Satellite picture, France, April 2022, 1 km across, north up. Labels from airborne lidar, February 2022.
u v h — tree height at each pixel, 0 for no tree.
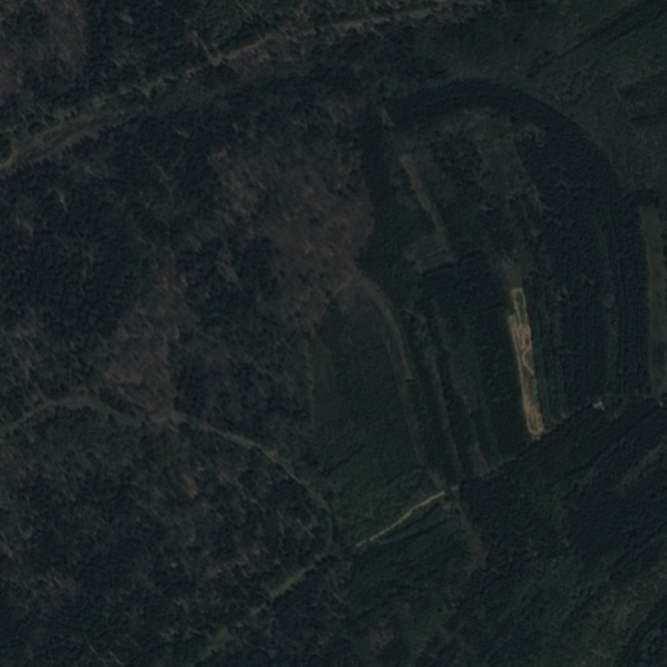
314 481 19
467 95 20
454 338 16
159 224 12
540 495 12
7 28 16
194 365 20
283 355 15
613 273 20
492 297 21
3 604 14
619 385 19
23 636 19
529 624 11
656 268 0
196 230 12
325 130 16
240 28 15
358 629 14
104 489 9
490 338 13
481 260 20
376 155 12
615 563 13
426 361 12
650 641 11
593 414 18
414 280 16
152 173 13
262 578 10
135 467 10
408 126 17
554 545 8
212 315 13
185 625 20
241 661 19
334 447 7
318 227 22
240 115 13
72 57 18
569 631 15
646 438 21
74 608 17
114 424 15
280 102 17
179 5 14
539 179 19
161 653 20
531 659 9
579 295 20
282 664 12
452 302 12
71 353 9
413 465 6
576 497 22
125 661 16
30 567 16
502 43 14
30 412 13
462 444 15
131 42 18
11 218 15
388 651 11
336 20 11
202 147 17
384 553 7
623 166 15
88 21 25
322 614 13
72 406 0
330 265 22
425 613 13
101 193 8
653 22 10
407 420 6
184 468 19
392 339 0
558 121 22
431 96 20
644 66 14
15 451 9
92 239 22
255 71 15
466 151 12
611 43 9
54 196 13
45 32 19
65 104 20
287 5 12
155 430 24
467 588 15
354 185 15
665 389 0
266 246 20
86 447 16
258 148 18
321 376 0
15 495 12
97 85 17
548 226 17
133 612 17
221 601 15
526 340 0
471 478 13
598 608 9
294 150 17
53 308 22
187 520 21
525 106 24
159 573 15
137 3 16
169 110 14
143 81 12
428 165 12
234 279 0
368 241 16
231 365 20
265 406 23
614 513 22
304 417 19
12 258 16
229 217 27
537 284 16
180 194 11
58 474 12
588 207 22
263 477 20
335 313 8
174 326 28
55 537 18
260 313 16
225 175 16
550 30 5
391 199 12
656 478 21
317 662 15
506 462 11
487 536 10
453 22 18
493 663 9
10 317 18
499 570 11
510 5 18
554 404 16
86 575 18
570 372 19
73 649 18
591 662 10
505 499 11
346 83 19
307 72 15
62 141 0
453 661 16
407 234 10
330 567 7
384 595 8
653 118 6
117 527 17
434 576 15
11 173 0
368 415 8
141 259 11
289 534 16
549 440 16
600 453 11
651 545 18
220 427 19
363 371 6
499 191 6
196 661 14
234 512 15
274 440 20
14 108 21
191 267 13
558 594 13
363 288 0
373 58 20
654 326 0
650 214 0
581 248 21
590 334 18
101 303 17
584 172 23
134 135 8
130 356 28
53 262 25
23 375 29
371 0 16
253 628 16
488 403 16
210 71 18
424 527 13
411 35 19
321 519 14
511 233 17
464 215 15
